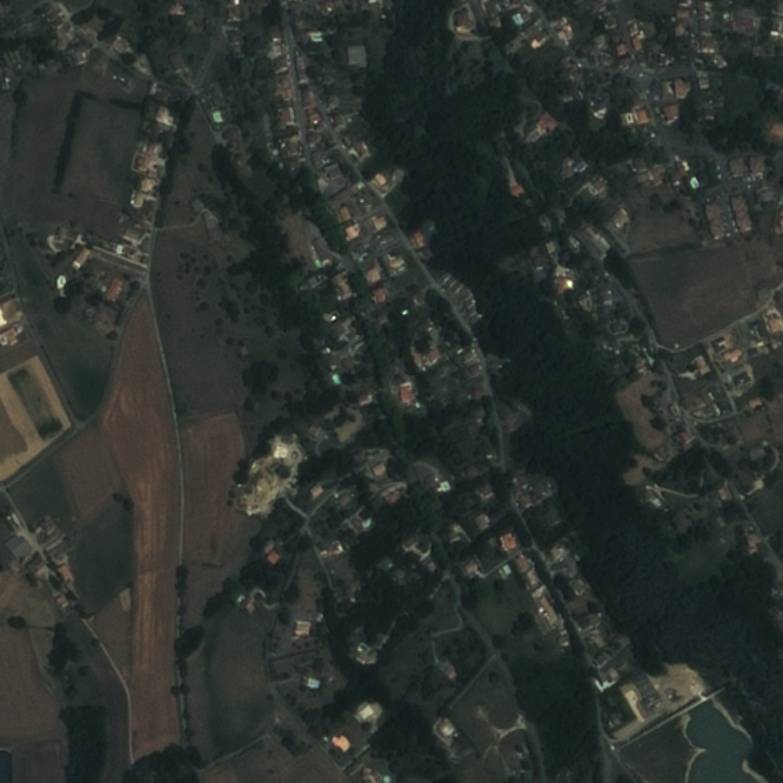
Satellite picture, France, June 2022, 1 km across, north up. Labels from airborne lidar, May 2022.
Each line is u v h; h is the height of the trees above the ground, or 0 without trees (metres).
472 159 15
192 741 9
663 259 0
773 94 18
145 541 0
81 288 8
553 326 17
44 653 0
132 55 12
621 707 8
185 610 8
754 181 0
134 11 6
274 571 9
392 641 9
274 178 10
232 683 0
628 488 11
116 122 0
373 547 13
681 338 0
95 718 18
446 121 18
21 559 7
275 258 13
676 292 0
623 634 11
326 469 13
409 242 0
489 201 17
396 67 22
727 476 11
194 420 0
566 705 12
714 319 0
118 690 0
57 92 0
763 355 0
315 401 11
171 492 0
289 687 0
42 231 0
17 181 0
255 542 15
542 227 10
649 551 23
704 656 27
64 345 0
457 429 7
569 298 17
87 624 0
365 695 15
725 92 7
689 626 25
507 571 0
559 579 12
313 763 0
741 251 0
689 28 8
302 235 0
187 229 0
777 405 0
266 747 0
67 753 0
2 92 7
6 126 0
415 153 14
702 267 0
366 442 7
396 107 21
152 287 0
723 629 25
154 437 0
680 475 7
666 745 0
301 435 6
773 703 22
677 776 0
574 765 13
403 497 11
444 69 20
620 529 23
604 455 19
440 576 13
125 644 0
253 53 7
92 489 0
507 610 0
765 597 21
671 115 0
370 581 9
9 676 0
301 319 9
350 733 0
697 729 0
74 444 0
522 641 0
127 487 0
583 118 18
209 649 0
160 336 0
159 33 13
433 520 21
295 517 8
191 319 0
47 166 0
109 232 0
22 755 0
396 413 26
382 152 6
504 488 14
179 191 0
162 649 0
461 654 11
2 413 0
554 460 25
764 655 19
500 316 25
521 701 18
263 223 18
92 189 0
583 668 8
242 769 0
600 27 11
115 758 0
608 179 6
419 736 13
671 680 0
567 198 7
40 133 0
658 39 13
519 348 27
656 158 11
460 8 11
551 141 8
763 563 15
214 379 0
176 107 8
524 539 15
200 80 0
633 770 0
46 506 0
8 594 0
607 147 10
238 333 0
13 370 0
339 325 0
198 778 14
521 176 8
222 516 0
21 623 10
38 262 0
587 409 17
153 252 0
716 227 0
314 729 11
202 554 0
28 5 0
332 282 9
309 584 0
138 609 0
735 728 0
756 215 7
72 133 8
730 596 20
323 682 8
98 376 0
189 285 0
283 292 11
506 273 8
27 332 0
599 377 14
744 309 0
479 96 12
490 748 0
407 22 31
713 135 15
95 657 0
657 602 26
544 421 30
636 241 0
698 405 0
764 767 12
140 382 0
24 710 0
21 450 0
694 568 0
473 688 0
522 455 20
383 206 0
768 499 0
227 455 0
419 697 0
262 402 0
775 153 12
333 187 0
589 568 22
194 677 0
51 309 0
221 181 7
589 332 9
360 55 0
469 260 22
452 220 24
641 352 5
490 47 14
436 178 19
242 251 0
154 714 0
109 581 0
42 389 0
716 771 0
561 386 19
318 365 7
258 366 12
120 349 0
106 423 0
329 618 12
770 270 0
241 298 7
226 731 0
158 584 0
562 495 16
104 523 0
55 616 0
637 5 6
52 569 10
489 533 13
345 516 12
